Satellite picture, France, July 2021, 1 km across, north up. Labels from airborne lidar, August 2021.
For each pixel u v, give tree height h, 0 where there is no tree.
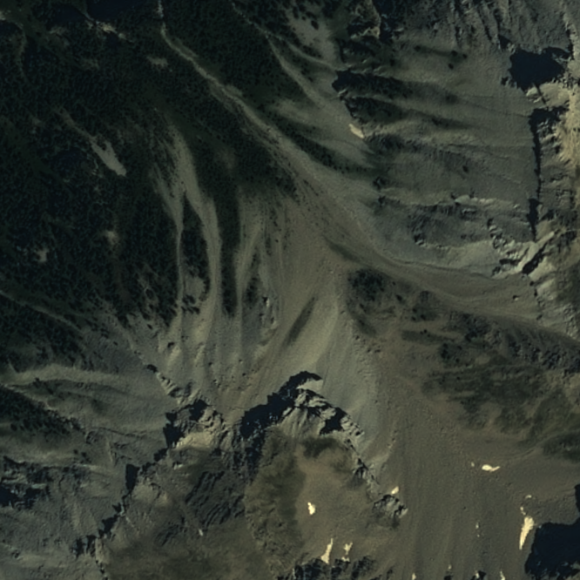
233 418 0
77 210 20
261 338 0
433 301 0
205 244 9
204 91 6
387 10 0
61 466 0
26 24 0
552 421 0
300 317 0
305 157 0
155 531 0
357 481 0
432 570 0
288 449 0
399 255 0
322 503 0
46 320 17
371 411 0
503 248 0
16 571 0
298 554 0
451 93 0
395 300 0
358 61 0
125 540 0
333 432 0
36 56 9
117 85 9
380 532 0
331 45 0
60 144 14
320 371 0
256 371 0
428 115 0
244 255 0
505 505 0
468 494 0
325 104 0
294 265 0
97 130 18
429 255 0
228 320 0
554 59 0
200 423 0
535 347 0
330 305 0
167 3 7
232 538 0
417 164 0
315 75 0
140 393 0
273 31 11
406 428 0
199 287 0
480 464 0
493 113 0
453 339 0
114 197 14
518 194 0
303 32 0
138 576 0
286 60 0
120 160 9
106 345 0
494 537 0
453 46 0
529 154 0
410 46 0
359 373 0
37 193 7
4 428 0
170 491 0
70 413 0
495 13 0
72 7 6
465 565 0
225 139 7
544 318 0
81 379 0
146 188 6
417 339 0
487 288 0
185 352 0
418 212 0
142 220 20
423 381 0
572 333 0
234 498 0
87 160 10
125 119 6
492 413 0
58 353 10
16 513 0
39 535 0
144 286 8
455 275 0
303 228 0
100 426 0
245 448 0
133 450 0
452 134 0
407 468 0
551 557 0
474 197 0
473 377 0
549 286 0
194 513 0
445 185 0
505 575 0
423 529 0
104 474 0
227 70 9
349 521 0
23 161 7
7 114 18
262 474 0
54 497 0
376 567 0
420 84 0
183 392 0
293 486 0
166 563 0
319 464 0
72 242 21
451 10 0
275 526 0
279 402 0
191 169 0
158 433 0
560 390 0
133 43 7
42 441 0
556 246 0
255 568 0
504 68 0
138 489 0
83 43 19
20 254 8
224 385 0
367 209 0
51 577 0
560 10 0
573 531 0
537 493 0
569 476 0
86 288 15
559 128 0
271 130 0
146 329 0
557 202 0
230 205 6
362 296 0
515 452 0
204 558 0
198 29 18
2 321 17
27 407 6
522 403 0
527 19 0
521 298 0
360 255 0
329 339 0
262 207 0
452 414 0
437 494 0
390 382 0
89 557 0
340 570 0
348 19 0
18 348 0
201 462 0
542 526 0
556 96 0
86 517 0
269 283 0
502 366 0
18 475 0
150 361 0
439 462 0
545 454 0
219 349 0
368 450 0
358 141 0
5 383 0
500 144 0
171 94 7
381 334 0
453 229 0
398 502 0
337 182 0
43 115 24
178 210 0
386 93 6
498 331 0
